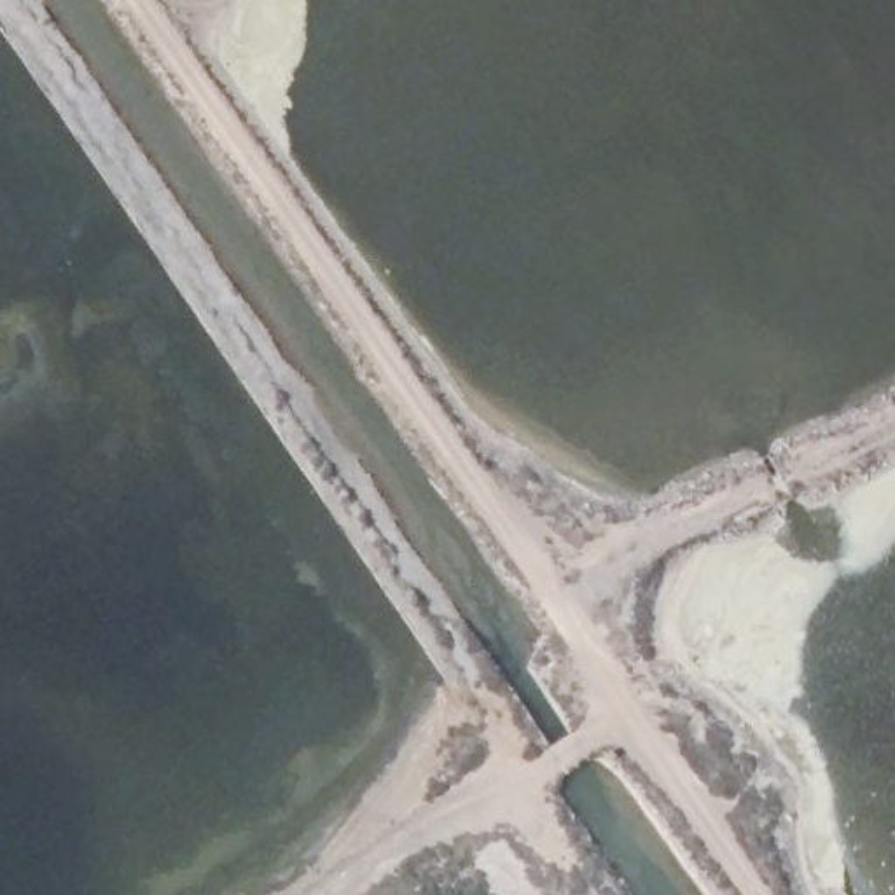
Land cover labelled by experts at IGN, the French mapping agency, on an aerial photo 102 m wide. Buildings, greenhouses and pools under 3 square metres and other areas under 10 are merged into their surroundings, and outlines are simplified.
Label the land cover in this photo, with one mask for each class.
<instances>
[{"label":"water","instance_id":"1","mask_svg":"<svg viewBox=\"0 0 895 895\"><path fill-rule=\"evenodd\" d=\"M49 24L84 59L101 98L126 126L147 164L157 171V178L164 182L192 231L203 238L231 290L269 332L283 364L297 371L304 385H311L322 416L329 420L336 437L357 454L360 468L371 475L378 496L385 500L413 556L434 573V580L451 598L465 626L468 650L482 654L493 664L500 685L510 696H517V703L531 713L535 727L549 741H559L563 734V724L556 720V713L549 710L538 685L528 675V654L535 643L531 619L524 615L521 601L486 566L472 535L434 493L427 472L420 468V461L385 416L381 402L357 381L343 346L332 339L318 311L308 304L297 280L287 273L259 224L224 185L206 150L189 133L182 115L171 108L161 84L140 63V56L133 52L122 28L101 0H42ZM287 133L297 164L322 192V199L332 206L346 234L374 262L378 276L392 287V294L402 301L413 322L434 339V346L454 367L458 381H465L468 402L493 423V430L514 434L524 444L535 441L542 437L563 444L584 465L598 468L619 489L633 493H657L671 479L706 461L727 458L734 451H755L762 458V475H776L769 444L780 434L815 416H836L843 409L864 406L885 385H895V0H308L304 56L294 70L287 108ZM441 675L420 650L402 615L385 598V591L378 587V580L371 577V570L353 552L350 538L329 514V507L308 486L280 437L273 434V427L266 423V416L259 413V406L248 399L220 350L213 346V339L203 332L192 308L164 273L161 259L154 255V248L133 227L105 178L94 171L66 122L59 119V112L52 108V101L45 98V91L35 84V77L24 70V63L0 31V895H273L290 888L311 864H318L325 825H343V818L367 794V787L399 755L409 727L434 703ZM787 552L815 563L836 559L843 549L836 510H808L801 503H787V535L780 542ZM794 713L811 727L829 766L836 794V825L843 839L846 895H895V545L871 570L839 577L815 605L801 654V696L794 699ZM559 804L591 836L587 853H598L608 864L612 878L622 881L626 895H699L657 839V832L647 825V818L636 811L629 794L601 766L587 759L559 776Z\"/></svg>","mask_w":895,"mask_h":895},{"label":"pervious surface","instance_id":"2","mask_svg":"<svg viewBox=\"0 0 895 895\"><path fill-rule=\"evenodd\" d=\"M122 28L133 52L140 56V63L161 84L171 108L182 115L189 133L206 150L224 185L259 224L287 273L297 280L308 304L318 311L332 339L343 346L357 381L381 402L385 416L399 434L406 427L420 430L423 444L458 479L465 496L475 503V510L496 531L503 549L524 570L535 608L566 640L580 675L587 717L577 731L563 734L559 741H549L535 727L531 713L517 703V696H510L500 685L493 664L482 654L468 650L465 626L451 598L434 580V573L413 556L385 500L378 496L371 475L360 468L357 454L336 437L329 420L322 416L311 385H304L297 371L283 364L269 332L231 290L203 238L192 231L164 182L157 178V171L147 164L126 126L101 98L84 59L49 24L42 0H0V31L24 63V70L35 77V84L45 91V98L52 101V108L59 112V119L66 122L94 171L105 178L133 227L154 248V255L161 259L164 273L192 308L203 332L213 339V346L220 350L248 399L259 406V413L266 416V423L273 427V434L280 437L308 486L329 507V514L350 538L353 552L371 570V577L378 580V587L385 591V598L402 615L420 650L441 675L434 703L409 727L399 755L367 787V794L343 818V825H325L318 864H311L290 888L273 895H367L378 881L395 874L413 853L437 843H451L465 832H486L493 825L517 829V836L542 860L573 871L580 853L573 850L559 822V776L587 759L598 745L626 748L675 797V804L692 822L696 836H703L710 853L731 874L734 885L720 892L682 846V839L671 832L668 818L643 794V787L615 762V755L601 766L629 794L636 811L647 818V825L657 832V839L699 895H773V888L762 885L755 864L745 857L727 825L734 801L710 794V787L682 759L675 734L661 731L678 713L689 720L696 741H706V731L717 724L731 727V748L755 755L759 769L752 776V787L780 790L783 822L776 829V843L790 857L794 881L804 895H846L843 839L836 825V794L829 766L811 727L794 713V699L801 696V654L815 605L839 577L871 570L895 545V385H885L864 406L843 409L836 416H815L780 434L769 444L776 475H762V458L755 451H734L727 458L738 465L745 479L741 486H727L713 496H703L685 510H661L650 517L612 524L608 535L594 538L591 545H570L545 517H535L517 496H510L489 479L486 468L472 461L454 427L444 420L427 388L413 378L409 364L381 329V322L371 315L357 287L339 269L353 259L364 283H371V294L392 315L395 329L409 339V346L420 353L423 367L441 381L444 395L454 402L461 420L482 441V448L493 451L496 465L521 468L535 441L524 444L514 434L493 430V423L468 402L465 381H458L454 367L434 346V339L413 322L402 301L392 294V287L378 276L374 262L346 234L332 206L322 199V192L297 164L287 133V108L294 70L304 56L308 0H101ZM308 437L322 441L339 472L357 486V496L374 514V524L395 545L402 577L430 598V608L444 619V629L451 633L454 647H441L434 629L423 622L413 594L395 587V577L388 573V563L374 545V531L364 528L360 510L346 503V496L322 475L304 444ZM776 496L787 503H801L808 510H836L843 549L836 559L815 563L787 552L780 542L752 535L738 542H713L696 549L689 559L668 566L654 605L657 654L650 661L640 657L633 640L636 577L661 549L720 524L745 503H766ZM458 724L482 727L489 755L444 797L427 801L430 780L448 762V755L437 752V745L448 734V727ZM475 864L486 874L493 895H538V888L524 874V864L503 843H489L475 853Z\"/></svg>","mask_w":895,"mask_h":895},{"label":"brushwood","instance_id":"3","mask_svg":"<svg viewBox=\"0 0 895 895\"><path fill-rule=\"evenodd\" d=\"M339 269L357 287L371 315L381 322V329L409 364L413 378L427 388L444 420L454 427L472 461L486 468L489 479L510 496H517L535 517H545L570 545H591L594 538L608 535L612 524L650 517L661 510H685L703 496H713L727 486H741L745 479L738 465L727 458L706 461L671 479L657 493H633L619 489L598 468L584 465L563 444L542 437L535 441L521 468L496 465L493 451L482 448V441L461 420L454 402L444 395L441 381L423 367L420 353L409 346V339L395 329L392 315L371 294V283H364L353 259ZM420 461V468L427 472L434 493L472 535L486 566L521 601L524 615L531 619L535 643L528 654V675L538 685L549 710L556 713V720L563 724V734L577 731L587 717L580 675L566 640L535 608L524 570L503 549L496 531L475 510V503L465 496L458 479L423 444L420 430L406 427L399 434ZM304 444L322 475L346 496V503L360 510L364 528L374 531V545L388 563V573L395 577V587L413 594L423 622L434 629L441 647H454L451 633L444 629V619L430 608V598L402 577L395 545L374 524V514L357 496V486L339 472L322 441L308 437ZM752 535L780 542L787 535V503L776 496L766 503H745L720 524L661 549L636 577L633 640L640 657L650 661L657 654L654 605L668 566L689 559L696 549L713 542H738ZM661 731L675 734L682 759L710 787V794L734 801L727 825L745 857L755 864L762 885L773 888V895H804L794 881L790 857L776 843V829L783 822L780 790L752 787V776L759 769L755 755L731 748V727L717 724L706 731V741H696L689 720L678 713ZM437 752L448 755V762L430 780L427 801L444 797L489 755L482 727L458 724L448 727V734L437 745ZM615 755V762L643 787V794L668 818L671 832L682 839V846L720 892L734 885L731 874L710 853L703 836H696L692 822L675 804V797L626 748L598 745L587 759L601 766ZM559 822L573 850L580 853L573 871L542 860L517 836V829L493 825L486 832H465L451 843H437L413 853L395 874L378 881L367 895H493L486 874L475 864V853L489 843H503L524 864V874L538 888V895H626L622 881L612 878L608 864L598 853H587L591 836L559 804Z\"/></svg>","mask_w":895,"mask_h":895}]
</instances>
